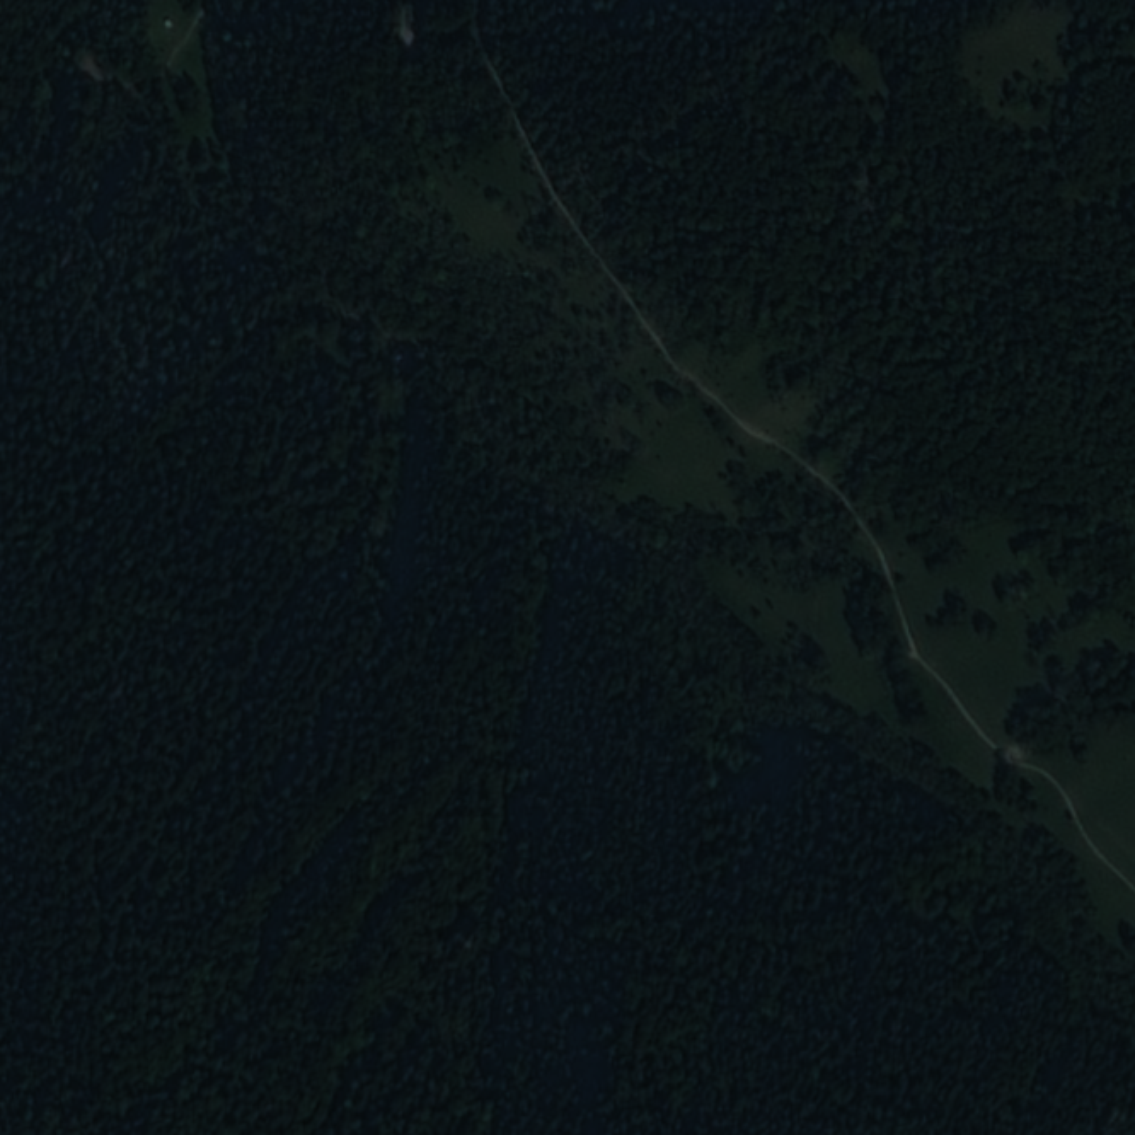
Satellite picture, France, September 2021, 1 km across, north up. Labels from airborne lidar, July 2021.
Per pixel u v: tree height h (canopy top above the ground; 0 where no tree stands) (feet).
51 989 98
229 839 124
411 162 60
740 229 37
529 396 34
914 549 24
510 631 93
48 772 104
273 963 96
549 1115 58
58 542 79
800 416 0
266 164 69
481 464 75
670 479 0
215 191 51
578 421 68
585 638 90
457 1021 54
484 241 0
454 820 72
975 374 96
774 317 83
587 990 86
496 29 84
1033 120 0
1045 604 0
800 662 28
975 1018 43
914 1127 98
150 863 101
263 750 136
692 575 75
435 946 53
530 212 41
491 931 78
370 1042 80
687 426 0
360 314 76
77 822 117
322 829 73
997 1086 88
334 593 88
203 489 88
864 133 21
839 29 68
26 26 70
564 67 89
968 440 97
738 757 83
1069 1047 81
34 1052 94
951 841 88
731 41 73
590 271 42
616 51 93
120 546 123
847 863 100
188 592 128
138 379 53
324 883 79
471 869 49
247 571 118
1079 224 47
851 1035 75
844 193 75
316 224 32
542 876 84
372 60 92
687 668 101
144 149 26
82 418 99
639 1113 91
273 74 87
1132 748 0
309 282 80
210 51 43
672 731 103
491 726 41
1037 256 87
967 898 41
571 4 88
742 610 0
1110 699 76
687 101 86
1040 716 70
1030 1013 78
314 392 53
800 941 92
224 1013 95
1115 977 23
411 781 73
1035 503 88
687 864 99
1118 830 0
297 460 72
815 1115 73
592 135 85
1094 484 89
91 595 116
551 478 64
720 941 103
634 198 66
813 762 112
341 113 94
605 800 112
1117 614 22
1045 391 80
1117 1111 99
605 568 79
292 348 32
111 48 82
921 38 76
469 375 87
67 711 83
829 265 41
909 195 76
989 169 74
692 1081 85
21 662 84
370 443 75
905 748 45
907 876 97
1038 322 75
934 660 0
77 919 121
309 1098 95
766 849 116
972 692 0
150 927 89
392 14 102
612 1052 95
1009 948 62
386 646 108
